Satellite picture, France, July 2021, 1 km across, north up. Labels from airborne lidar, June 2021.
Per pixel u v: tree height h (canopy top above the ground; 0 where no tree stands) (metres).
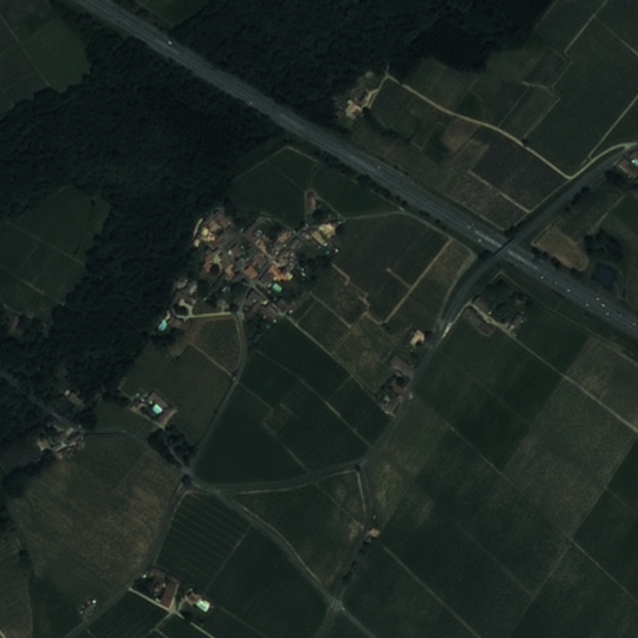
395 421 0
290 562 0
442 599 0
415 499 0
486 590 0
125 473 0
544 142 0
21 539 0
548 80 0
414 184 0
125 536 0
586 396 0
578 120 0
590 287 0
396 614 0
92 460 0
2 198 18
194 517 0
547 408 0
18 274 0
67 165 20
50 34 0
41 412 12
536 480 0
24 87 0
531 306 9
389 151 0
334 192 0
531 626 0
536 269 0
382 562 0
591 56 0
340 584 0
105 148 22
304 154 0
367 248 0
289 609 0
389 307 0
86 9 0
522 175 0
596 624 0
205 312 0
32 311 0
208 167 27
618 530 0
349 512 0
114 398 16
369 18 8
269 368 0
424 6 20
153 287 20
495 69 0
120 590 0
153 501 0
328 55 21
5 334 21
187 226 17
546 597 0
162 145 18
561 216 0
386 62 7
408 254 0
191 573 0
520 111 0
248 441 0
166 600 0
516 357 0
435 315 0
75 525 0
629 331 0
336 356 0
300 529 0
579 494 0
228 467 0
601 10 0
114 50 19
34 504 0
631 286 0
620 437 0
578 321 0
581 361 0
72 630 0
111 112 23
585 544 0
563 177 0
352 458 0
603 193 0
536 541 0
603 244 17
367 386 0
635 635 0
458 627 0
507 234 8
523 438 0
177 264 23
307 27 16
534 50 0
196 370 0
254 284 0
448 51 19
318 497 0
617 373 0
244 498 0
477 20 13
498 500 0
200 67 0
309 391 0
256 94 0
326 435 0
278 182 0
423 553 0
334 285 0
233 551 0
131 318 13
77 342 20
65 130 18
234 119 26
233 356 0
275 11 21
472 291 0
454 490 0
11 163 23
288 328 0
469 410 0
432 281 0
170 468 0
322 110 20
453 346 0
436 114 0
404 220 0
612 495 0
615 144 0
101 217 0
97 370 17
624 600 0
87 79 17
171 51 0
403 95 0
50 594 0
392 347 0
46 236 0
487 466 0
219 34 21
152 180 15
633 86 0
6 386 23
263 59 23
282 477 0
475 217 0
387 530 0
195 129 22
